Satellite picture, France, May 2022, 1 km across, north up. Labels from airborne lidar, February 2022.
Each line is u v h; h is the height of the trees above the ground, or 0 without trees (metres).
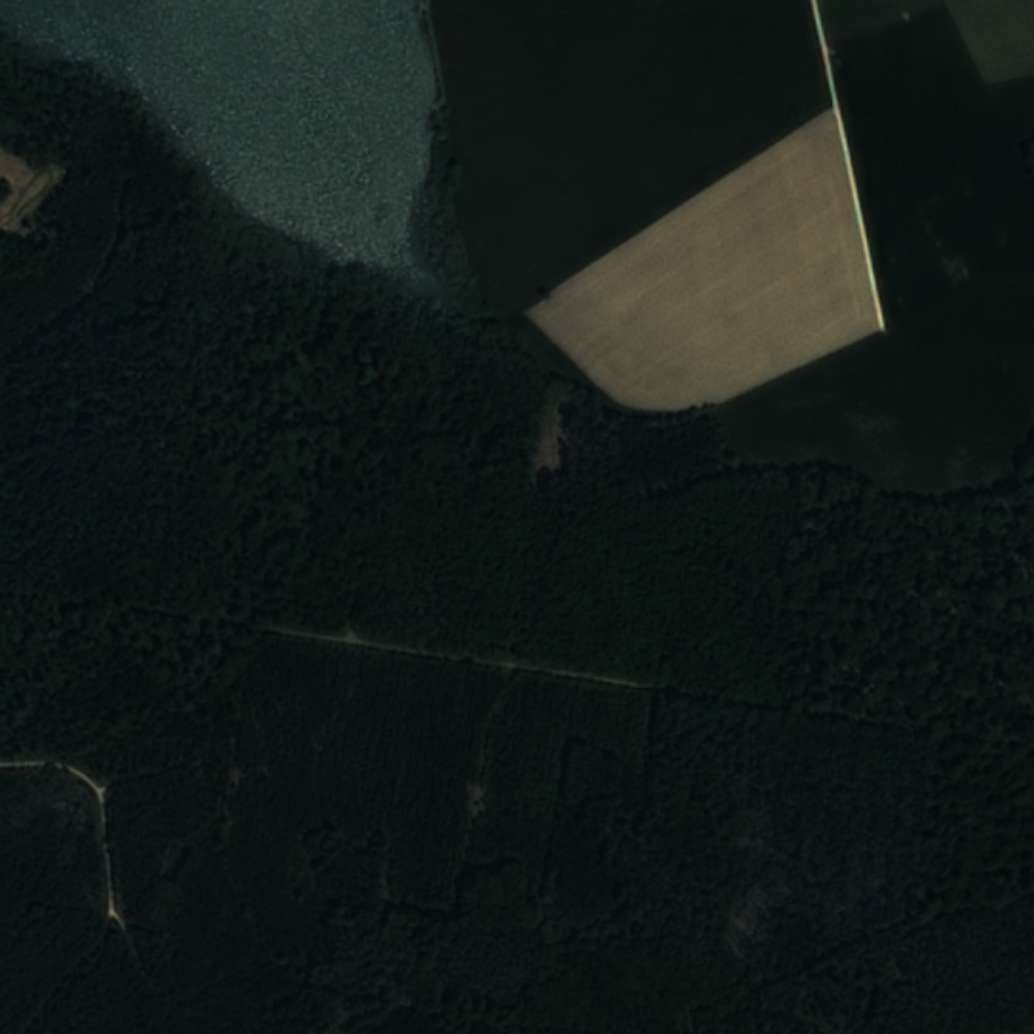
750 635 16
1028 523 27
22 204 0
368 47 0
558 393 0
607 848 22
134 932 9
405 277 0
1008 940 12
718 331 0
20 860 11
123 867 9
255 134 0
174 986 12
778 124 0
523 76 0
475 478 15
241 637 25
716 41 0
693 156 0
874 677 26
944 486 0
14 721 27
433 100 0
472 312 7
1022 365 0
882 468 0
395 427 11
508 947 24
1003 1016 11
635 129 0
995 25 0
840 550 27
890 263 0
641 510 20
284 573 25
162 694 11
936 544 24
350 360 27
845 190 0
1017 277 0
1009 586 24
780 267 0
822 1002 11
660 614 13
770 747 20
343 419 24
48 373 27
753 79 0
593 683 6
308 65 0
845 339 0
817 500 20
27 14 0
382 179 0
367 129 0
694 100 0
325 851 15
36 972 13
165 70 0
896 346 0
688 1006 13
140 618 26
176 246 21
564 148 0
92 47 0
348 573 11
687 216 0
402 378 19
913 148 0
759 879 21
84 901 14
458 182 13
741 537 15
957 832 20
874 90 0
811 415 0
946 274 0
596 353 0
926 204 0
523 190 0
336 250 0
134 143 16
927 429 0
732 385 0
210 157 0
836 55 0
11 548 26
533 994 19
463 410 23
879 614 26
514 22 0
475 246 0
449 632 18
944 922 10
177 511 14
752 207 0
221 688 9
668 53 0
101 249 12
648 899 24
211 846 11
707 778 16
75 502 25
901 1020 13
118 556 22
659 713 16
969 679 31
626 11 0
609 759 20
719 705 24
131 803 13
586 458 20
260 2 0
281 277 20
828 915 24
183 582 15
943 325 0
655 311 0
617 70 0
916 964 9
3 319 11
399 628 17
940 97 0
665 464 16
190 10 0
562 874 9
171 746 11
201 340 22
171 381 14
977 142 0
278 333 29
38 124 27
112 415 25
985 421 0
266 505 13
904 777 18
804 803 18
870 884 22
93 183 13
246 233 8
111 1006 14
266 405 16
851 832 18
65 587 18
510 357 22
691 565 17
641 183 0
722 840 24
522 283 0
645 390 0
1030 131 0
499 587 16
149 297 10
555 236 0
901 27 0
